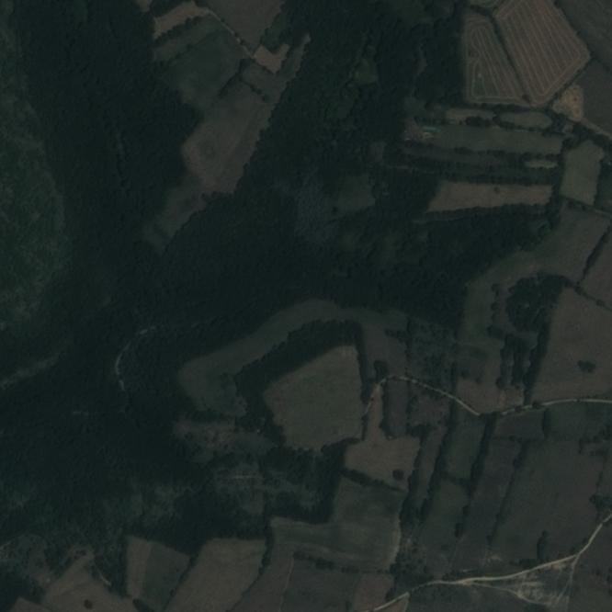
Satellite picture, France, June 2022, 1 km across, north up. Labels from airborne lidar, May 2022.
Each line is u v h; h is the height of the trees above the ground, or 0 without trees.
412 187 9
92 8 22
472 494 10
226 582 0
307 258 19
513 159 8
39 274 6
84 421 9
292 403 0
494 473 0
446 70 12
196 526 11
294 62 0
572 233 0
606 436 9
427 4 10
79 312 8
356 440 8
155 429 13
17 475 8
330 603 0
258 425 9
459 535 14
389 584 0
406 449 0
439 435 0
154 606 0
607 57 0
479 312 0
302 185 29
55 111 14
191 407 16
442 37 16
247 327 17
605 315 0
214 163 0
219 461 8
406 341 8
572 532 0
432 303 17
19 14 11
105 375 9
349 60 13
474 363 0
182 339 18
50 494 10
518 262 0
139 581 0
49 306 8
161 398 18
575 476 0
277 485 6
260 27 0
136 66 15
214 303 19
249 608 0
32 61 14
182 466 19
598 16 0
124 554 6
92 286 6
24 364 6
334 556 0
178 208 0
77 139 13
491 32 0
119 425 20
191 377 0
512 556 0
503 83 0
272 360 14
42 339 10
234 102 0
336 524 0
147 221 15
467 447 0
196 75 0
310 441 0
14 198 7
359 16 19
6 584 11
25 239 7
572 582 0
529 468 0
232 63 0
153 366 12
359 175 11
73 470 15
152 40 12
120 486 13
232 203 12
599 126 0
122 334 11
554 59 0
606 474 0
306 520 11
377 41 12
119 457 10
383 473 0
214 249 12
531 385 10
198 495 9
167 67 10
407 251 12
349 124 13
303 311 0
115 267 12
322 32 14
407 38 18
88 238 6
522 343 15
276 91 0
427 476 0
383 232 17
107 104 16
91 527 8
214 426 0
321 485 6
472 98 0
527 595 0
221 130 0
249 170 14
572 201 6
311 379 0
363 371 11
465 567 0
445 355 8
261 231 17
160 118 13
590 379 0
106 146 17
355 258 6
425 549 0
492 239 21
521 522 0
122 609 0
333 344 12
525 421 0
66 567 6
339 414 0
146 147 13
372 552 0
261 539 10
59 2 16
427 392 7
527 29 0
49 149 10
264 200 9
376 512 0
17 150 7
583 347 0
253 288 17
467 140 0
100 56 19
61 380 17
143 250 13
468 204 0
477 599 0
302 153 18
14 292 6
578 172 0
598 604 0
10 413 17
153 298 18
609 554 0
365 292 19
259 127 0
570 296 0
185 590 0
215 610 0
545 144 0
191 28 14
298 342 11
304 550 0
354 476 15
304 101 9
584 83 0
